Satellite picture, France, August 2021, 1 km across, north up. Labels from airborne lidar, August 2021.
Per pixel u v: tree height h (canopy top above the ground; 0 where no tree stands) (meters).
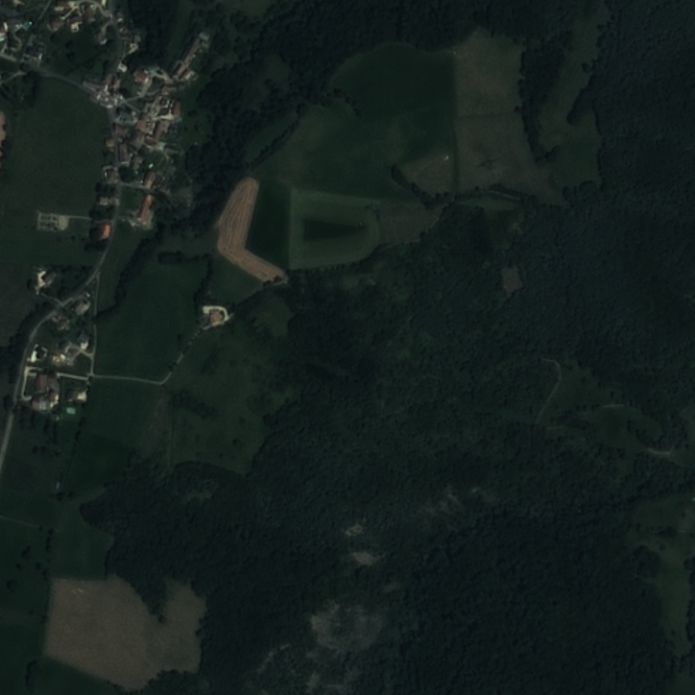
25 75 6
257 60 16
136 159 0
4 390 0
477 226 15
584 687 21
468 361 7
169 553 18
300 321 15
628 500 7
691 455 0
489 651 24
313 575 18
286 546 23
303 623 12
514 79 0
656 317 13
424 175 0
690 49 13
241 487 12
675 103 25
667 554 0
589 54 0
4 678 0
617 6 7
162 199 8
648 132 16
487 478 19
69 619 0
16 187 0
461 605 22
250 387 0
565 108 0
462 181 0
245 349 0
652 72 16
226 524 15
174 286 0
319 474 10
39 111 0
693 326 8
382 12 12
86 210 0
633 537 0
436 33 17
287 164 0
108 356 0
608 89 18
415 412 10
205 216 16
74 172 0
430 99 0
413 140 0
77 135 0
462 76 0
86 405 12
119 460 0
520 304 12
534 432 15
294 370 7
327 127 0
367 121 0
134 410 0
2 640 0
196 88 0
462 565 23
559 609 25
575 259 12
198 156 20
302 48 18
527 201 11
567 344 11
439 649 20
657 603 17
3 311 0
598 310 11
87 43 0
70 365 0
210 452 0
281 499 14
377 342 13
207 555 18
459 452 15
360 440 7
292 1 8
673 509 0
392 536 8
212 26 9
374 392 13
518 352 12
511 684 20
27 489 0
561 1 17
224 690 10
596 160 0
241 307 11
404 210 0
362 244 0
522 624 28
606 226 13
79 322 6
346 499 12
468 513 8
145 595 15
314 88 13
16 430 0
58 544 0
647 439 14
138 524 11
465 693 23
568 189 11
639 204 13
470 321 8
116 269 0
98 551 0
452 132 0
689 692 0
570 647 14
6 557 0
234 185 11
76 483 0
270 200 0
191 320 0
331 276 9
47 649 0
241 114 9
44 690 0
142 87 0
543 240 12
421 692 11
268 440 12
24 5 13
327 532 12
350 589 13
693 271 15
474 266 9
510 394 12
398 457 9
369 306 11
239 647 19
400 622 8
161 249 0
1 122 0
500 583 24
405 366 11
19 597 0
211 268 9
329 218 0
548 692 24
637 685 23
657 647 19
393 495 10
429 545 12
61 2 0
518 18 11
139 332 0
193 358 0
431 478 12
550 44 15
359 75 0
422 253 7
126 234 0
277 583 23
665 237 16
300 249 0
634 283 12
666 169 16
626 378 16
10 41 13
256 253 0
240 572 12
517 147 0
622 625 15
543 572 19
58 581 0
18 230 0
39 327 0
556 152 9
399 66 0
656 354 12
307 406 12
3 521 0
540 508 12
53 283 0
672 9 13
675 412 11
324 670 7
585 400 0
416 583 10
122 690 9
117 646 0
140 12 13
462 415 7
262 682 10
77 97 0
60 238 9
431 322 12
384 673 16
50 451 10
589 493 20
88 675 0
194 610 0
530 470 8
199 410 15
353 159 0
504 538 25
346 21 25
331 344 21
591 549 21
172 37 6
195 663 0
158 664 0
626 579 17
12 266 0
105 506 17
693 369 12
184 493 7
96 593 0
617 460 12
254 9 0
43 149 0
